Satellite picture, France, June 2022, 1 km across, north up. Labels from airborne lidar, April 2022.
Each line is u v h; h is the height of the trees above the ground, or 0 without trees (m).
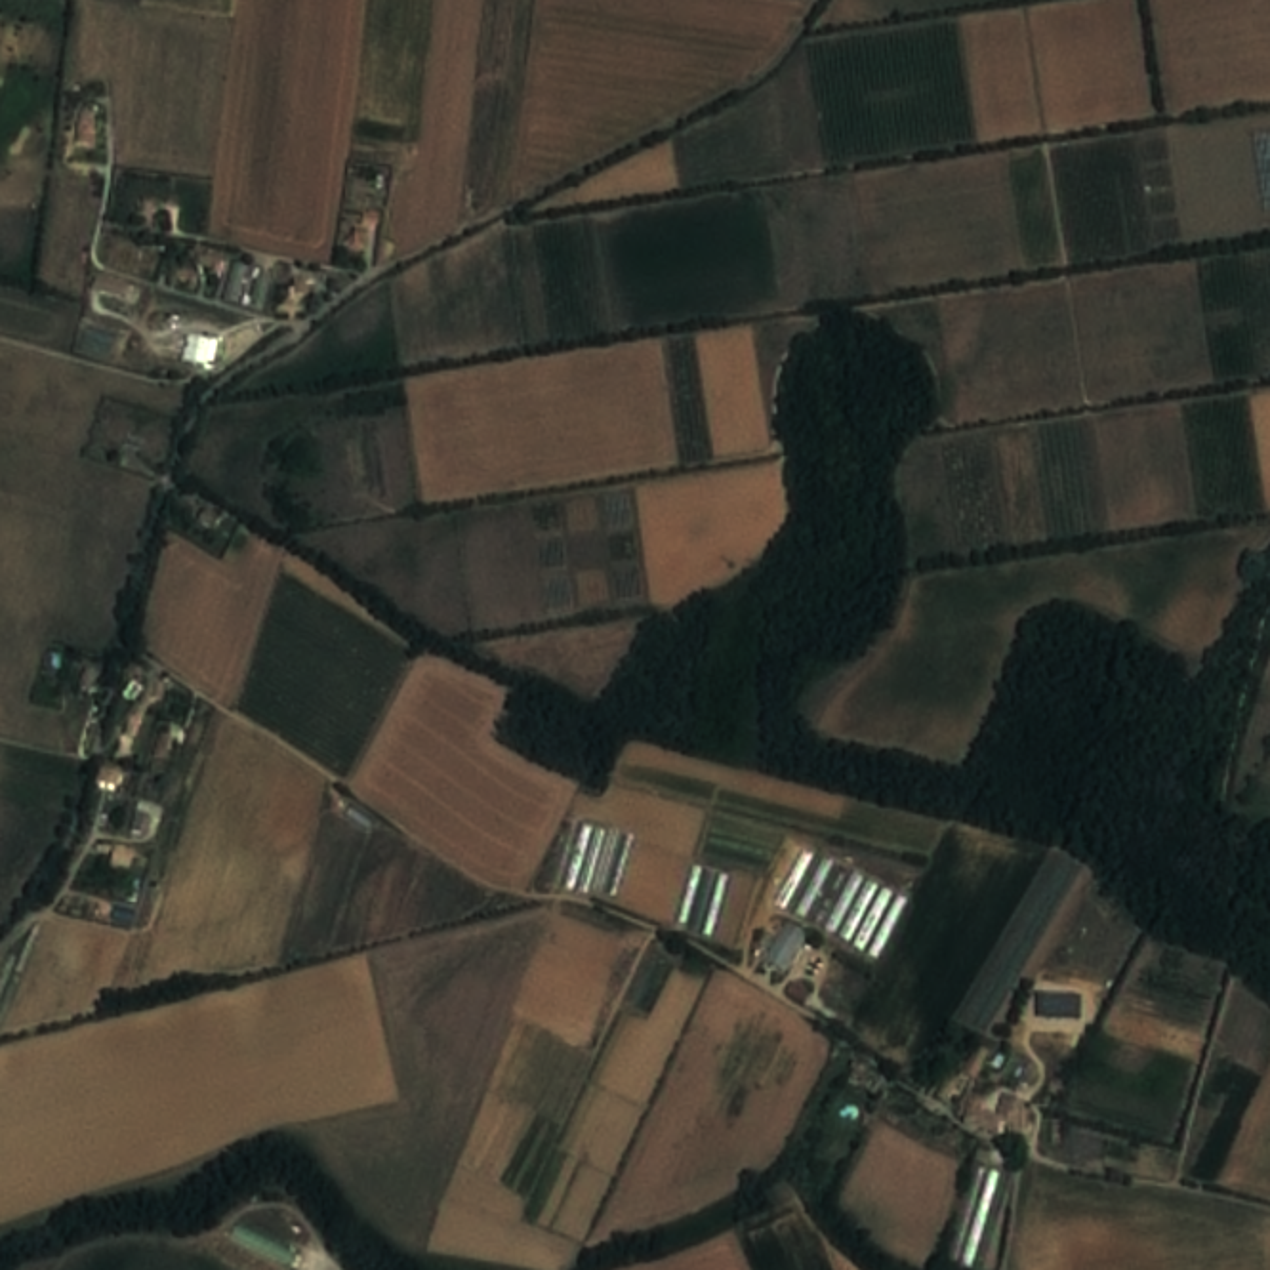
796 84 0
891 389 13
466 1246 0
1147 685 11
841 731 0
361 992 0
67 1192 0
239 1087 0
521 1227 0
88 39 0
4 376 0
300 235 0
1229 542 0
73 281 0
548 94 0
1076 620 8
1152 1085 0
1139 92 0
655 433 0
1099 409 8
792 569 13
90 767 17
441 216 0
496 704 0
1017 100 0
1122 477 0
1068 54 0
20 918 15
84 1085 0
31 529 0
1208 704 15
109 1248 0
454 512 11
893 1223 0
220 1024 0
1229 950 12
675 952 14
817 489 15
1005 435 0
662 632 8
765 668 12
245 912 0
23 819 0
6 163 0
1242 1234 0
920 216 0
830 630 19
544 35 0
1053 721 17
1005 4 11
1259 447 0
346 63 0
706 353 0
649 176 0
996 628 0
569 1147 0
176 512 14
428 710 0
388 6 0
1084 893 0
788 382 12
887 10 0
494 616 0
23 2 0
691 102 0
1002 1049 8
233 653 0
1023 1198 0
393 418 0
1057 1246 0
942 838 0
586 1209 0
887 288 0
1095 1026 8
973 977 0
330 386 15
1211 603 0
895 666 0
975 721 0
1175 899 17
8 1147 0
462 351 0
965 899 0
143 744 0
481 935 0
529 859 0
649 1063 0
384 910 0
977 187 0
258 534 14
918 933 0
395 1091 0
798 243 0
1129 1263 0
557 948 0
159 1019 0
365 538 0
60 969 0
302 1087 0
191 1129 0
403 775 0
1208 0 0
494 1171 0
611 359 0
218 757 0
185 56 0
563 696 9
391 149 0
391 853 0
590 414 0
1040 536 0
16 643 0
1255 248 16
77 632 0
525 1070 0
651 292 0
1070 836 12
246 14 0
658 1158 0
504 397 0
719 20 0
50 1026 8
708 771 0
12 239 0
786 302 0
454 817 0
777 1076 0
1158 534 13
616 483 8
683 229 0
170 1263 0
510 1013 0
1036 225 0
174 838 0
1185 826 13
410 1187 0
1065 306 0
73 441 0
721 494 0
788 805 0
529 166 0
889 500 15
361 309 0
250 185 0
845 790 15
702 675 13
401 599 0
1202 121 11
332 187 0
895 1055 0
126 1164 0
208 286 8
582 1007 0
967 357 0
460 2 0
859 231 0
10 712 0
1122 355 0
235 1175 17
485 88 0
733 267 0
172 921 0
